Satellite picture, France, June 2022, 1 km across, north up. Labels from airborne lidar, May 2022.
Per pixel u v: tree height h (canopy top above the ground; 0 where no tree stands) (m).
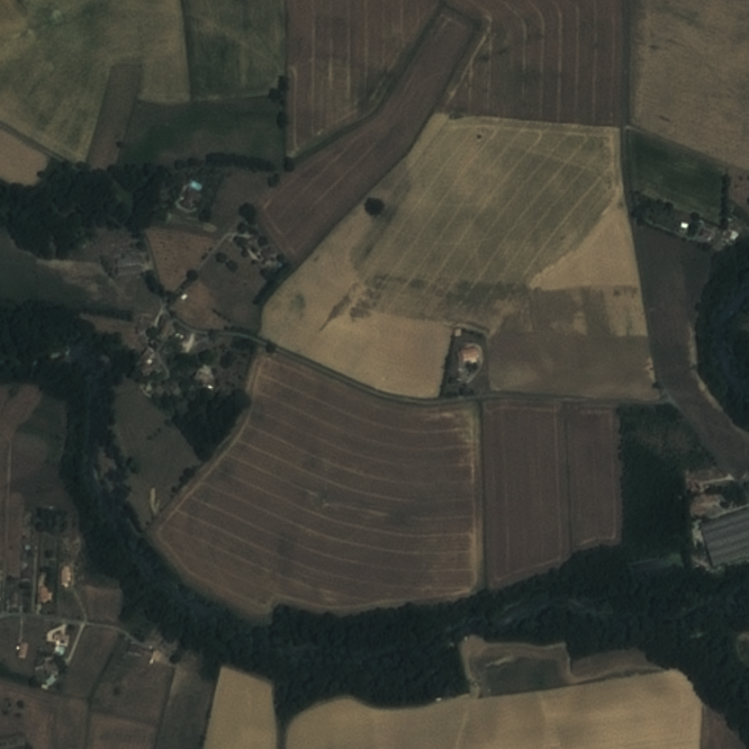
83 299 0
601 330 0
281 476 0
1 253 0
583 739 0
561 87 0
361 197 0
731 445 0
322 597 0
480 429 0
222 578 0
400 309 0
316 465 0
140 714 0
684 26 0
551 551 0
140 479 0
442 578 0
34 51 0
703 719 0
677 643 19
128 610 13
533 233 0
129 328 0
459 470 0
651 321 0
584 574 19
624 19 0
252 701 0
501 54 0
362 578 0
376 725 0
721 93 0
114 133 0
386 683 22
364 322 0
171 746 0
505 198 0
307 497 0
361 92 0
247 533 0
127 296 0
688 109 0
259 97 0
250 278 0
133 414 0
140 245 11
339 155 0
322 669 22
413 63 0
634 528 9
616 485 0
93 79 0
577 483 0
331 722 0
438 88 0
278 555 0
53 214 26
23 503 0
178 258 0
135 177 13
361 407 0
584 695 0
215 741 0
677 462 8
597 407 0
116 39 0
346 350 0
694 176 0
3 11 0
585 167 0
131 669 0
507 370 0
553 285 0
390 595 0
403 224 0
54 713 0
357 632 33
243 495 0
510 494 0
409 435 0
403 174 0
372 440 0
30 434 0
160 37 0
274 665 22
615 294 0
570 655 10
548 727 0
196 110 0
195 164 14
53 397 10
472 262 0
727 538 0
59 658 11
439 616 12
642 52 0
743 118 0
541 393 0
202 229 0
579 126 0
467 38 0
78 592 0
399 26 0
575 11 0
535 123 0
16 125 0
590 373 0
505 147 0
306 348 0
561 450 0
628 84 0
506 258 0
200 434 9
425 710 0
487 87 0
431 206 0
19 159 0
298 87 0
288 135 0
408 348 0
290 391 0
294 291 0
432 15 0
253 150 0
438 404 0
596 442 0
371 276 0
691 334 0
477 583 0
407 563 0
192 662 0
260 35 0
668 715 0
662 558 11
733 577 14
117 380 28
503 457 0
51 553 6
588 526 0
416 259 0
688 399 0
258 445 0
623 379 0
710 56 0
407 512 0
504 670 0
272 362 0
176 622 12
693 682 14
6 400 0
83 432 33
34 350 35
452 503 0
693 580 20
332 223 0
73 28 0
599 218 0
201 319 0
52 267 0
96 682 0
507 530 0
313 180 0
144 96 0
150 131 0
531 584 14
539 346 0
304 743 0
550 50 0
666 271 0
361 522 0
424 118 0
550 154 0
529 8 0
